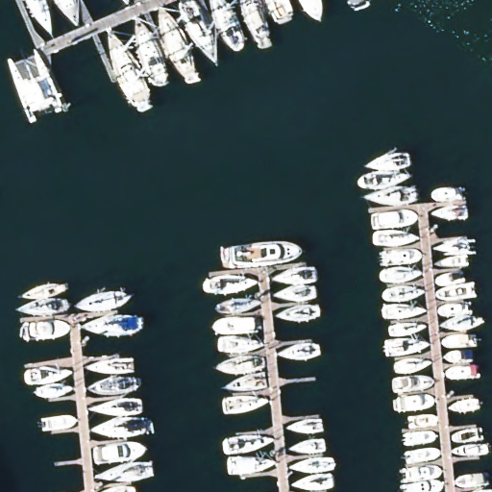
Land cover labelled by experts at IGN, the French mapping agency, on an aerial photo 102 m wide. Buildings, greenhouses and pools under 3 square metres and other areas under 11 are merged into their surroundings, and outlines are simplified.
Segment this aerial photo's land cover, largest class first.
<instances>
[{"label":"water","instance_id":"1","mask_svg":"<svg viewBox=\"0 0 492 492\"><path fill-rule=\"evenodd\" d=\"M0 492H492V0H0Z\"/></svg>","mask_w":492,"mask_h":492}]
</instances>
